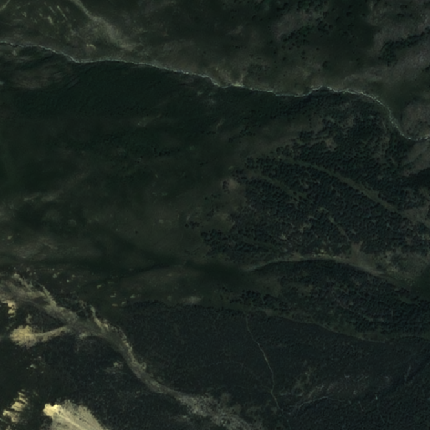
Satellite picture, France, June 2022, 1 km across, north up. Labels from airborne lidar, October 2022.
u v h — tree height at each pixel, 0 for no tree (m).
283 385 5
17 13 0
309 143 9
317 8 9
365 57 0
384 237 20
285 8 10
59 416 0
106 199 0
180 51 0
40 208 0
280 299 11
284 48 12
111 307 0
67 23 0
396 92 0
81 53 0
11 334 0
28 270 0
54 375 0
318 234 16
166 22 0
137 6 0
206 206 0
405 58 0
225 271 0
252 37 0
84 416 0
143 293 0
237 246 20
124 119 0
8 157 0
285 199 22
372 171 15
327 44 0
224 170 0
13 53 0
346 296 22
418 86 0
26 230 0
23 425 0
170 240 0
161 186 0
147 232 0
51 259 0
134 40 0
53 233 0
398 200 15
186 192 0
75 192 0
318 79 0
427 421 12
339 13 0
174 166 0
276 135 0
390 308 25
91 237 0
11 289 0
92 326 0
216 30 0
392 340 6
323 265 9
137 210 0
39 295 0
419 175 15
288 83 0
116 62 7
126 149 10
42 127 0
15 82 0
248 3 8
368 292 8
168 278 0
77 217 0
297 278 8
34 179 0
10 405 0
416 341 9
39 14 0
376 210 19
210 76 0
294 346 9
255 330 7
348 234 18
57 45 0
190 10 0
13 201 0
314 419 8
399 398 7
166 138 0
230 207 0
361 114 12
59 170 0
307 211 19
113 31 0
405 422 6
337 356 7
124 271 0
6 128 0
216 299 0
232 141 10
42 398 0
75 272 0
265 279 0
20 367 0
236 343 5
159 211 0
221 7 0
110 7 0
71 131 0
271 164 11
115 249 0
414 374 7
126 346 0
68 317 0
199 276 0
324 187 26
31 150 0
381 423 14
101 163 0
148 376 0
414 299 7
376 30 0
